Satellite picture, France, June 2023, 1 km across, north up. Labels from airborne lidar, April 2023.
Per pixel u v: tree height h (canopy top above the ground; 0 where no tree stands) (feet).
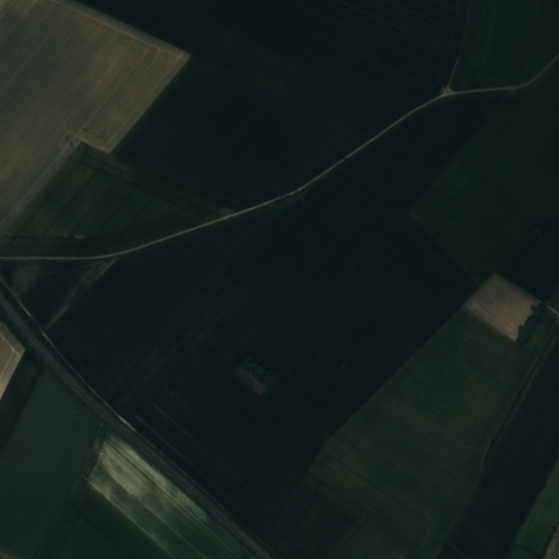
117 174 0
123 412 0
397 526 0
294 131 0
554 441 0
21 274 0
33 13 0
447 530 0
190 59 0
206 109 0
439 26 0
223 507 0
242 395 0
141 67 0
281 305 0
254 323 0
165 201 0
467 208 0
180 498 0
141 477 0
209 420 0
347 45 0
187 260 0
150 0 0
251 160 0
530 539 0
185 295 0
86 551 0
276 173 0
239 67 0
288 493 0
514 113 0
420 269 0
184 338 0
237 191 0
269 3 0
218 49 0
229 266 0
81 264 0
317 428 0
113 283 0
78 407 0
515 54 0
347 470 0
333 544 0
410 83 0
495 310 0
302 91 0
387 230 0
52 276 0
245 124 0
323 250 0
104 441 0
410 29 0
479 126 0
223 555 0
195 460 0
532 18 0
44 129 0
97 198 0
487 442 0
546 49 0
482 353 0
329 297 0
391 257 0
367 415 0
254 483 0
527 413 0
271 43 0
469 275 0
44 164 0
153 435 0
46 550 0
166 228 0
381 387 0
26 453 0
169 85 0
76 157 0
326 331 0
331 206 0
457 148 0
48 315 0
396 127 0
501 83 0
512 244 0
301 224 0
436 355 0
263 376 41
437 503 0
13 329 43
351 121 0
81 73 0
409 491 0
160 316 0
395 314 0
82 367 0
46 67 0
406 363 0
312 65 0
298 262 0
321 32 0
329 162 0
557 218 0
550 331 0
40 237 0
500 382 0
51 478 0
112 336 0
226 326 0
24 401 0
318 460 0
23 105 0
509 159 0
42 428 0
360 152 0
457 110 0
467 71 0
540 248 0
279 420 0
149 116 0
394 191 0
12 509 0
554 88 0
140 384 0
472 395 0
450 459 0
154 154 0
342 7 0
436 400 0
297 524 0
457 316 0
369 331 0
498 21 0
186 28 0
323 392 0
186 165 0
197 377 0
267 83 0
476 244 0
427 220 0
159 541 0
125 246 0
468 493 0
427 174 0
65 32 0
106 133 0
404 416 0
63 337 0
